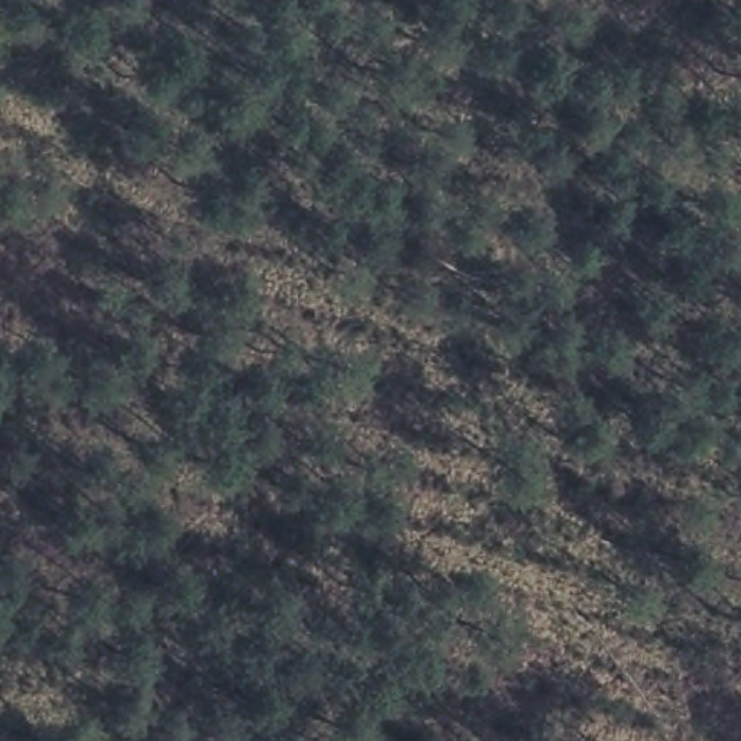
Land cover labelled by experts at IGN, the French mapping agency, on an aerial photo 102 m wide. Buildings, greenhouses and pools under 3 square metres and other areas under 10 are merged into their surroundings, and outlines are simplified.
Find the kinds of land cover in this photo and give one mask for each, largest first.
<instances>
[{"label":"herbaceous vegetation","instance_id":"1","mask_svg":"<svg viewBox=\"0 0 741 741\"><path fill-rule=\"evenodd\" d=\"M527 3L530 17L527 29L550 35L547 41L553 43V52L559 58L582 61L585 55H590L588 61L596 69H602L605 58H614L628 69L640 72V98L628 107H617V119L628 122L640 116L663 145L672 139L674 127L660 116L663 96L683 98L686 113L695 116H703V101L721 104L729 139L721 142V148L724 153H732L729 174H721V179L709 177L703 165L712 162L715 148L706 139V124H695V159L666 162V182L677 197L663 211L648 208L634 214L631 234L622 237L611 226L614 206L608 200H593V194L585 188L593 179V174L611 168L585 139L588 127L596 119V110H579L570 101L556 104V139L564 142L567 153L573 156L570 179L550 177L538 153L533 156V162L501 159L504 151H518L530 139L524 127L530 124V116L538 110V104L535 96L527 87H521L515 75L504 84L486 78L472 52L457 72L446 78V90L417 110V116H425L440 124H472L475 148L463 159V165H457L446 179V191L460 197L469 206V211L466 217L449 220L446 229L428 232L423 226V194H408L402 200V246L397 252L394 266H388L376 278L368 301H362L356 310H344L339 289H344L359 275L356 258L368 252V223L356 220L344 246L333 249L330 255H321L324 234L333 229V223L327 211L307 208L313 203V179H301L295 168H301L304 162H316V177L324 185H330L336 168L344 162V156H350L371 174L373 182L388 179V185L402 188L405 182H414V148L405 139H397L394 130H388V116H376V124L385 130L379 159L362 151V127H347L344 122H339V136L327 151L318 145V127L313 122L307 139L298 148H289L287 139L295 122V98L287 93L278 96L272 116L249 139L237 142L229 133V127L220 122L223 107L232 104L226 87L237 75L255 78V64L246 58V43L240 41V35L252 29L258 20L263 23V29L272 26L278 20V0H148L145 23L130 29L127 23H122L127 3L116 0H52V6H43L41 12L46 29L61 26L69 14L78 12H98L104 17L110 41L98 61L87 64L78 75H72L64 67V55L58 49H49L43 43L6 46L0 41V151L26 148L29 179L46 182L49 188V171H67L75 185H96L104 191L93 206H84L81 211L72 208L61 217H49L43 226H35L29 232L6 229L0 223V359L12 356L14 362L35 365L41 356L58 353L69 359L72 376V399L61 408H43L38 399H14L12 411L0 408V556L12 553L20 564H26L32 588L14 617L26 619L29 625H41L43 631L32 651H20L17 645H9L0 637V741H127L119 732L122 715L116 709V698L130 683V660H122L116 654V645H110L104 637L84 640L78 663H58L49 657L55 645L67 643L75 625L64 617L61 593L78 579H96L98 573L107 576L113 588L127 585L130 590L153 593L148 625L156 634L153 643L162 654V674L156 680L153 698L171 712H185L197 735L214 718V709H226L229 715L243 718V735L249 741H269L258 729V715L269 712V703L261 686L246 680L243 674V657L263 654L266 643L246 631L234 634L229 651L208 648L203 643V634L217 625L220 605L234 611L246 608L249 596L266 593L269 579L278 576L292 593L304 599L301 625L295 637L284 643V657L295 654L298 648L327 651L330 640L313 637L310 628L324 625L342 631L353 596L376 588V570H388L385 588H423L428 605L434 599H446L454 588H463L469 573H486L501 585L498 596L509 602L507 614L518 617V611L524 608L527 625L535 634L527 645V669L535 674V686L515 689L509 686L512 672H507L492 683L486 695H478V666L472 663L478 654L475 637L480 634V622L478 617H457V631L449 645L454 657L446 669V686L434 695L417 692L408 700H402L399 715L382 727L379 741H741V469L718 466V454L683 463V449L674 443H669L660 452H648V434L657 414L674 405L677 391L695 385L698 376H703L709 382V394L703 411L698 414L700 423L706 428L721 425L732 440H741V368L724 365V353L709 356L703 330L718 316L732 318V307L741 295V272L727 269L718 281L706 287H692V269L669 249L666 232L674 234L692 220L703 232L712 226V211L700 208L706 200L703 191L741 194V0H564L576 14L582 9L599 12L590 38L585 43H576L553 29L547 6L553 0H521ZM188 29L194 43L206 52L208 64L203 81V113L191 119L182 98H177L171 107L142 110L139 101L145 98L148 87L159 90L162 81L174 78L179 38ZM145 116L171 124L177 136H185L191 127L208 133L220 168L208 177H177L174 168L185 156V145L179 139L168 145L159 162H142L127 156L124 130L133 127L142 133V127L148 124ZM252 171H261L269 188V197L263 203V226L252 237L200 232L203 217L217 211V188H232ZM507 177L521 179L524 208L509 211L501 220L498 232L486 234L480 255H463L469 226L478 223L486 208L480 191L501 185ZM547 206L556 217V240L544 252L521 258L509 234L527 229L530 214H538ZM177 240H188V255L194 258V298H223V287L243 275H255L263 287V313L249 327L246 347L240 356L243 368L226 365V371L220 373L234 397L263 394L266 385L258 368H278L289 344H304L310 350L330 347L347 356L371 350L382 371L376 373L371 397L356 408L344 402L333 408L304 411V394L292 388L289 399L275 414L263 408L249 411L246 428L263 431L269 423H275V434L284 443L281 457L255 466L252 486L232 498H220L214 489L223 469L200 472L188 466L185 472H177L165 492L151 495L145 512H133L124 518L139 530L148 524L159 533V509L177 504V544L162 559H148L145 564H122L116 562L113 550L78 553L67 544V535H75L84 527L110 524V507L101 504L98 457L90 449L96 443H107L122 472L127 469L139 480L148 478L153 460L159 457V449L168 446L174 434V408L165 391L179 388L182 376L203 373L200 350H194L203 327L194 316H168L165 310L148 304L139 295H133L122 313L101 310L98 298L107 289V284L119 278H133L148 284L151 289H162V258L174 255ZM588 249H599L605 255V266L593 278H585L579 284L573 304L576 318L582 330L596 336L625 333L634 347V362L625 373H611L605 365H585L576 379L579 391L590 402L582 414L570 408L553 417L550 405L538 402L533 388L553 391L562 379L559 373H550L544 365L550 344L564 342L567 336V330L556 321V310L538 316V333L518 356H495L489 344L498 336L495 327L504 321V304L512 295L509 289L527 272H533L538 284H550L559 269H564L570 261H582ZM423 272L434 278V287L446 304L469 307V313L478 318L475 333H457L452 339H443L440 333H425L423 327L405 324L402 304H411L417 298V281ZM651 284H660L672 295L669 301L674 304V321L666 336L651 333L643 324V316L634 304L640 295H645ZM142 310L151 316V336L159 342V356L148 382H133L127 399L107 414L87 411L84 405L90 394V365H116L122 353H130L133 321ZM457 379L466 388L469 405L475 399H483V405H501V411H489L486 417H478L475 411L452 414L449 388ZM605 420L614 425L617 434L614 454L596 463H582L573 472L570 452L576 440H588L593 446L599 437V425ZM327 423L339 425L336 440H347L342 460L350 469L365 466L371 452L376 457L394 452L402 460H414L420 466V475L411 486L402 483L394 489V504L411 512L405 518V530L394 541L362 538L353 530L339 533V527H318V512L336 498L324 478L313 483L310 498L298 512L287 509L289 492L298 486V475L310 472V440L304 437V431L310 425H318L324 431ZM527 431H538L541 437H547L556 498L544 509H512L507 501H501L507 489L504 483L521 489L530 486V478L518 466ZM17 452H32L41 457L29 480H14L12 475H6L14 466ZM712 489L732 495L718 518V527L709 535L680 538V533L695 518H700L698 504ZM698 550L721 562L724 570L721 582L706 593L692 590V576L686 573V559H695ZM590 562L596 567H605L608 573H617L628 585H640L643 579L654 585L663 599L660 619L654 625L625 622V614L634 608V599L617 596L611 585L588 582ZM191 579L206 585L200 614H177L174 619H165V602L179 596ZM547 663H559V672H585L605 686V695L611 700L631 703L637 709L631 724L619 727L608 715H588L585 709H570V695L559 683L547 680ZM402 17V23L397 26L399 38L394 49H405L411 58L425 49L423 35L428 29H443L454 17L452 6H446L443 0H385ZM512 0H478V9L463 29V41L472 43H478V38L495 26L489 20V12L507 9ZM316 52H310L307 72L313 84V101L318 107L330 101L333 78L344 75L353 64V58L339 46V41H333V20L321 9V17L313 32ZM359 700L339 698L324 686L321 695L304 698L292 709V718L272 741H362L356 729Z\"/></svg>","mask_w":741,"mask_h":741},{"label":"coniferous trees","instance_id":"2","mask_svg":"<svg viewBox=\"0 0 741 741\"><path fill-rule=\"evenodd\" d=\"M43 6H52V0H0V41L6 46L43 43L49 49H58L64 55V67L72 75H78L87 64L98 61L110 41L104 17L98 12H78L69 14L61 26L46 29L41 12ZM127 3L122 23H127L130 29L145 23L148 0H116ZM446 6H452L454 17L443 29H428L423 35L425 49L411 58L405 49H394L399 38L397 26L402 23V17L385 0H278V20L272 26L263 29V23L258 20L252 29L240 35V41L246 43V58L255 64V78L237 75L226 87L232 104L223 107L220 122L229 127V133L237 142L249 139L272 116L278 96L287 93L295 98V122L287 139L289 148H298L307 139L313 122L318 127V145L327 151L339 136V122H344L347 127H362V151L379 159L385 130L376 124V116H388V130H394L397 139H405L414 148V182H405L402 188L388 185V179L373 182L371 174L350 156H344V162L336 168L330 185H324L316 177V162H304L301 168H295L301 179H313V203L307 208L327 211L333 223V229L324 234L321 255H330L333 249L344 246L356 220L368 223V252L356 258L359 275L344 289H339L344 310H356L362 301H368L376 278L388 266H394L397 252L402 246V200L408 194H423V226L428 232L446 229L449 220L466 217L469 211V206L460 197L446 191V179L457 165H463V159L475 148L472 124H440L425 116H417V110L446 90V78L457 72L472 52L486 78L504 84L515 75L521 87H527L535 96L538 104V110L530 116V124L524 127L530 139L518 151H504L501 159L533 162V156L538 153L550 177L570 179L573 156L567 153L564 142L556 139V104L570 101L579 110H596V119L588 127L585 139L611 168L593 174V179L585 188L593 194V200H608L614 206L611 226L622 237L631 234L634 214L648 208L663 211L677 197L666 182V162L695 159V124H706V139L715 148L712 162L703 165L709 177L721 179V174H729L732 153H724L721 148V142L729 139L721 104L703 101V116H695L686 113L683 98L663 96L660 116L674 127L672 139L663 145L640 116L628 122L617 119V107H628L640 98V72L628 69L614 58H605L602 69H596L588 61L590 55H585L582 61L559 58L553 52V43L547 41L550 35L527 29L530 17L527 3L521 0H512L507 9L489 12V20L495 26L478 38V43H472L463 41V29L478 9V0H443ZM321 9L333 20V41H339V46L353 58V64L344 75L333 78L330 101L318 107L313 101V84L307 72L310 52H316L313 32L321 17ZM553 29L576 43H585L590 38L599 12L582 9L576 14L564 0H553L547 6ZM208 64L206 52L194 43L188 29L179 38L174 78L162 81L159 90L148 87L145 98L139 101L142 110L171 107L177 98H182L191 119L203 113V81ZM148 124L142 127V133L133 127L124 130L127 156L142 162H159L168 145L179 139L185 145V156L174 168L177 177H208L220 168L208 133L191 127L185 136H177L171 124L145 116ZM49 188L46 182L29 179L26 148L0 151V223L6 229L29 232L35 226H43L49 217H61L72 208L81 211L84 206H93L104 191L96 185H75L67 171H49ZM269 197V188L261 171H252L232 188H217V211L203 217L200 232L252 237L263 226V203ZM521 179L507 177L501 185L480 191L486 208L478 223L469 226L463 255H480L486 234L498 232L501 220L509 211L524 208ZM706 200L700 208L712 211V226L703 232L692 220L674 234L666 232L669 249L692 269V287H706L718 281L727 269L741 272V194L703 191ZM521 258L544 252L556 240V217L547 206L538 214H530L527 229L509 234ZM162 289H151L148 284L133 278H119L107 284V289L98 298L101 310L122 313L133 295H139L148 304L165 310L168 316H194L203 327L194 350H200L203 373L182 376L179 388L165 391L174 408V434L168 446L159 449V457L153 460L148 478L139 480L127 469L122 472L107 443H96L90 449L98 457L101 504L110 507V524L84 527L75 535H67V544L78 553L113 550L116 562L122 564H145L148 559H162L177 544V504L159 509V533L148 524L139 530L124 518L133 512H145L151 495L165 492L177 472H185L188 466L200 472L223 469L214 489L220 498H232L252 486L255 466L281 457L284 443L275 434V423H269L263 431L246 428L249 411L263 408L275 414L289 399L292 388L304 394V411L333 408L344 402L356 408L371 397L376 373L382 371L371 350L347 356L330 347L310 350L304 344H289L278 368H258L266 385L263 394L234 397L220 373L226 371V365L243 368L240 356L246 347L249 327L263 313V287L255 275H243L223 287V298H194V258L188 255V240H177L174 255L162 258ZM605 266V255L599 249H588L582 261H570L564 269H559L550 284H538L533 272H527L509 289L512 295L504 304V321L495 327L498 336L489 344L495 356H518L538 333V316L556 310V321L567 330V336L564 342L550 344L544 365L550 373H559L562 379L553 391L533 388L538 402L550 405L553 417L570 408L582 414L590 402L579 391L576 379L585 365H605L611 373H625L634 362V347L625 333L596 336L582 330L576 318L573 304L579 284L585 278H593ZM405 324L423 327L425 333H440L443 339H452L457 333H475L478 318L469 313V307L446 304L434 287V278L423 272L417 281V298L411 304H402ZM672 295L660 284H651L645 295H640L634 304L643 316V324L651 333L666 336L674 321V304L669 301ZM709 356L724 353V365L741 368V295L732 307V318L718 316L703 330ZM159 356V342L151 336V316L142 310L133 321L130 353H122L116 365H90V394L84 405L87 411L107 414L127 399L133 382H148ZM14 399H38L43 408H61L72 399V376L69 359L58 353L41 356L35 365L14 362L12 356L0 359V408L12 411ZM709 394V382L703 376H698L695 385L677 391L674 405L657 414L648 434V452H660L669 443H674L683 449V463L718 454V466L741 469V440H732L721 425L706 428L700 423L698 414L703 411ZM452 414L475 411L478 417H486L489 411H501V405H483V399H475L469 405L466 388L457 379L449 388ZM617 434L614 425L605 420L599 425V437L593 446L588 440H576L570 452L573 472L582 463H596L614 454ZM339 425L327 423L324 431L318 425H310L304 431V437L310 440V472L298 475V486L289 492L287 509L298 512L310 498L313 483L324 478L336 498L318 512V527H339V533L353 530L362 538L394 541L405 530V518L411 512L394 504V489L402 483L411 486L420 475V466L414 460H402L394 452L376 457L371 452L365 466L350 469L342 460L347 440H336ZM518 466L530 478V486L521 489L504 483L507 489L501 501H507L512 509H544L556 498L547 437H541L538 431H527ZM41 457L32 452H17L14 466L6 475H12L14 480H29ZM732 495L712 489L698 504L700 518H695L680 533V538L709 535L718 527V518ZM686 573L692 576V590L706 593L721 582L724 570L721 562L698 550L695 559H686ZM32 588L26 564H20L12 553L0 556V637L9 645H17L20 651H32L43 631L41 625H29L26 619L14 617ZM588 582L611 585L617 596L634 599V608L625 614V622L654 625L660 619L663 599L654 585L643 579L640 585H628L617 573H608L605 567H596L590 562ZM388 570H376V588L353 596L342 631L324 625L310 628L313 637L330 640L327 651L298 648L295 654L284 657V643L295 637L301 625L304 599L292 593L278 576L269 579L266 593L249 596L246 608L234 611L220 605L217 625L203 634V643L208 648L229 651L234 634L246 631L266 643L263 654L243 657V674L246 680L261 686L269 703V712L258 715V729L269 741H272L292 718V709L304 698L321 695L324 686L339 698L359 700L356 729L362 741H379L382 727L399 715L402 700H408L417 692L434 695L446 686V669L454 657L449 645L457 631V617H478L480 622V634L475 637L478 654L472 663L478 666V695H486L492 683L507 672H512L509 686L515 689L535 686V674L527 669V645L535 634L527 625L524 608L518 611V617L507 614L509 602L498 596L501 585L486 573H469L463 588H454L446 599H434L428 605L423 588H385ZM64 617L75 625L67 643L55 645L49 657L58 663H78L84 640L104 637L110 645H116V654L122 660H130V683L116 698V709L122 715L119 732L127 741H249L243 735V718L229 715L226 709H214V718L197 735L185 712H171L153 698L156 680L162 674V654L153 643L156 634L148 625L153 593L130 590L127 585L113 588L107 576L98 573L96 579H78L61 593ZM206 585L191 579L179 596L165 602V619H174L177 614H200ZM547 680L559 683L570 695V709H585L588 715H608L619 727L631 724L637 709L631 703L611 700L605 695V686L585 672H559V663H547Z\"/></svg>","mask_w":741,"mask_h":741}]
</instances>
